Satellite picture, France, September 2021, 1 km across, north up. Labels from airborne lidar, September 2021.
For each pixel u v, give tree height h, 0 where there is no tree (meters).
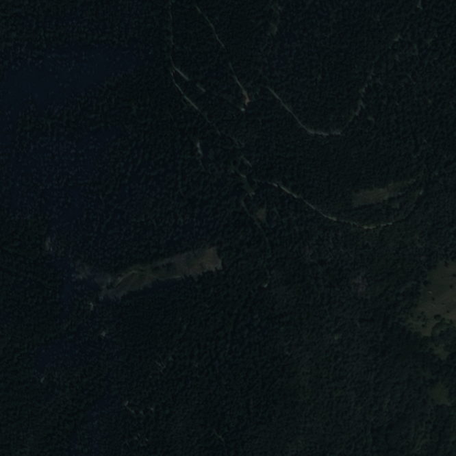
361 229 13
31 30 26
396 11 8
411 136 8
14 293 17
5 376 23
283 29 25
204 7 16
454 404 10
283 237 19
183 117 19
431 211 25
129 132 11
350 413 22
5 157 23
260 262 21
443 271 0
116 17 28
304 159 14
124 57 23
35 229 18
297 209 23
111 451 22
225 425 16
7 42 23
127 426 23
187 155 15
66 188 16
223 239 21
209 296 19
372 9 29
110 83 15
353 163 13
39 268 26
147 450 18
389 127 33
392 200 13
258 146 18
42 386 25
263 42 28
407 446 19
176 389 22
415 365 23
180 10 22
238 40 15
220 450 24
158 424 31
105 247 26
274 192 27
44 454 27
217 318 20
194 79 12
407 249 22
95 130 12
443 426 9
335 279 11
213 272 15
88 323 20
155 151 22
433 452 14
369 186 18
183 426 13
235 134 20
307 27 8
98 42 19
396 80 13
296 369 9
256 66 24
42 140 26
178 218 26
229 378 29
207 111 19
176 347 25
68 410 25
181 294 20
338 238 22
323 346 20
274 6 17
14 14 14
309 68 10
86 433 10
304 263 29
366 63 20
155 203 21
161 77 16
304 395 17
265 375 20
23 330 18
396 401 20
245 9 17
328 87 13
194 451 28
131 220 17
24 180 22
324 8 17
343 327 21
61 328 13
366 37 14
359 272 27
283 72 23
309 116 12
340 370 17
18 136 21
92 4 24
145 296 16
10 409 21
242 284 27
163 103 24
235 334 18
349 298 36
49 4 22
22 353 20
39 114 18
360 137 27
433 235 27
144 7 23
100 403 19
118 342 19
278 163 10
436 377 16
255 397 18
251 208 31
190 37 16
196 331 28
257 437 14
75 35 25
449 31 30
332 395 19
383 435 16
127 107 10
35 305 21
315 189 15
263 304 26
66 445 26
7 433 18
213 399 26
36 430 13
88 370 18
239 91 23
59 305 20
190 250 12
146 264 18
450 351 8
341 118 16
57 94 27
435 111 31
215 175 29
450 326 13
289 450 10
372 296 7
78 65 27
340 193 18
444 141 24
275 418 18
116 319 16
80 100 21
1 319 19
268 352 15
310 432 11
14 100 12
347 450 20
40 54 23
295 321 21
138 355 24
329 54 11
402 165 18
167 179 29
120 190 16
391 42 17
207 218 33
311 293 21
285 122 15
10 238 25
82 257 20
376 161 17
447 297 0
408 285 32
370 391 22
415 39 28
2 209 30
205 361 11
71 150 31
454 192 24
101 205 30
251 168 8
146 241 14
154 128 15
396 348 23
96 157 12
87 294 7
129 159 21
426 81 26
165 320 21
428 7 29
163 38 19
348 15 9
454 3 30
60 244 11
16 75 24
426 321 13
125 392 18
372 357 18
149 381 10
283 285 11
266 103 21
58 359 14
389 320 26
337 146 21
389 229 17
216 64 8
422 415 15
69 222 10
